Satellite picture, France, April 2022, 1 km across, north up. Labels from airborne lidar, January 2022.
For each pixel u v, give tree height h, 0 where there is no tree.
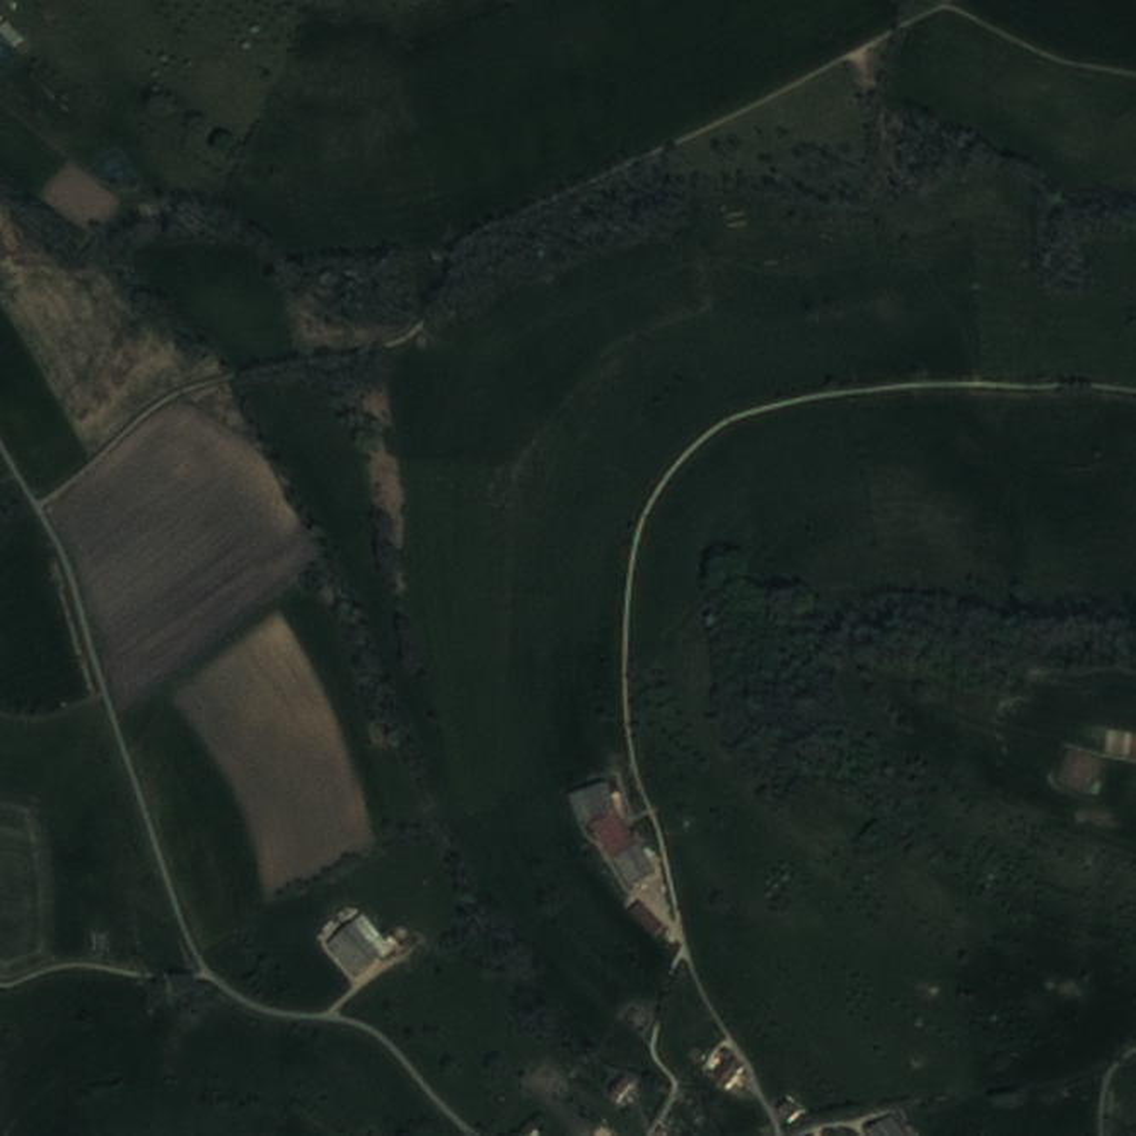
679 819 0
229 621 0
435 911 0
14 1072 0
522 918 0
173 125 0
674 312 0
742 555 12
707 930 0
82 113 0
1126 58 0
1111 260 0
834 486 0
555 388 0
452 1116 0
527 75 0
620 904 0
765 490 0
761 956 0
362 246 0
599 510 0
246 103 0
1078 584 0
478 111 0
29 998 0
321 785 0
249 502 0
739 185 15
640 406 0
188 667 0
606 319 0
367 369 25
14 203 20
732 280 0
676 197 27
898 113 0
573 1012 0
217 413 0
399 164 0
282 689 0
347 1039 0
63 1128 0
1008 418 0
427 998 0
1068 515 0
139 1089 0
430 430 0
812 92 0
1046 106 0
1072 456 0
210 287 0
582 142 0
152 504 0
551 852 0
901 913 0
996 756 0
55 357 0
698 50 0
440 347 0
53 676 0
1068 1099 0
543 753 0
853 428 0
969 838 0
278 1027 0
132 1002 0
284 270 25
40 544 0
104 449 0
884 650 22
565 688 0
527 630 0
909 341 0
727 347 0
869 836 10
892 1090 0
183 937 0
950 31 0
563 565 0
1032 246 0
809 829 0
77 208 0
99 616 0
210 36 0
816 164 20
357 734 0
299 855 0
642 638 0
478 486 0
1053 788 0
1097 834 0
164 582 0
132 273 21
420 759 16
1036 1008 0
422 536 0
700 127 0
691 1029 0
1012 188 0
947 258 0
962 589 0
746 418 0
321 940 0
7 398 0
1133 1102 0
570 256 26
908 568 0
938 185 19
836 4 0
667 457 0
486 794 0
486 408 0
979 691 14
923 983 0
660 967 0
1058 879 0
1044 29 0
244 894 0
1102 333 0
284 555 0
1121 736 0
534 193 0
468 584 0
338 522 0
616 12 0
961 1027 0
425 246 0
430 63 0
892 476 0
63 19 0
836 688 18
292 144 0
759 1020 0
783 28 0
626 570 0
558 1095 0
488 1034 0
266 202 0
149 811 0
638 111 0
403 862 0
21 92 0
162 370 0
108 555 0
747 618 6
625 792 0
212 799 0
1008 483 0
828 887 0
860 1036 0
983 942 0
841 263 0
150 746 0
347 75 0
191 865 0
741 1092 0
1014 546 0
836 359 0
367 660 21
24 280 0
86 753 0
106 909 0
